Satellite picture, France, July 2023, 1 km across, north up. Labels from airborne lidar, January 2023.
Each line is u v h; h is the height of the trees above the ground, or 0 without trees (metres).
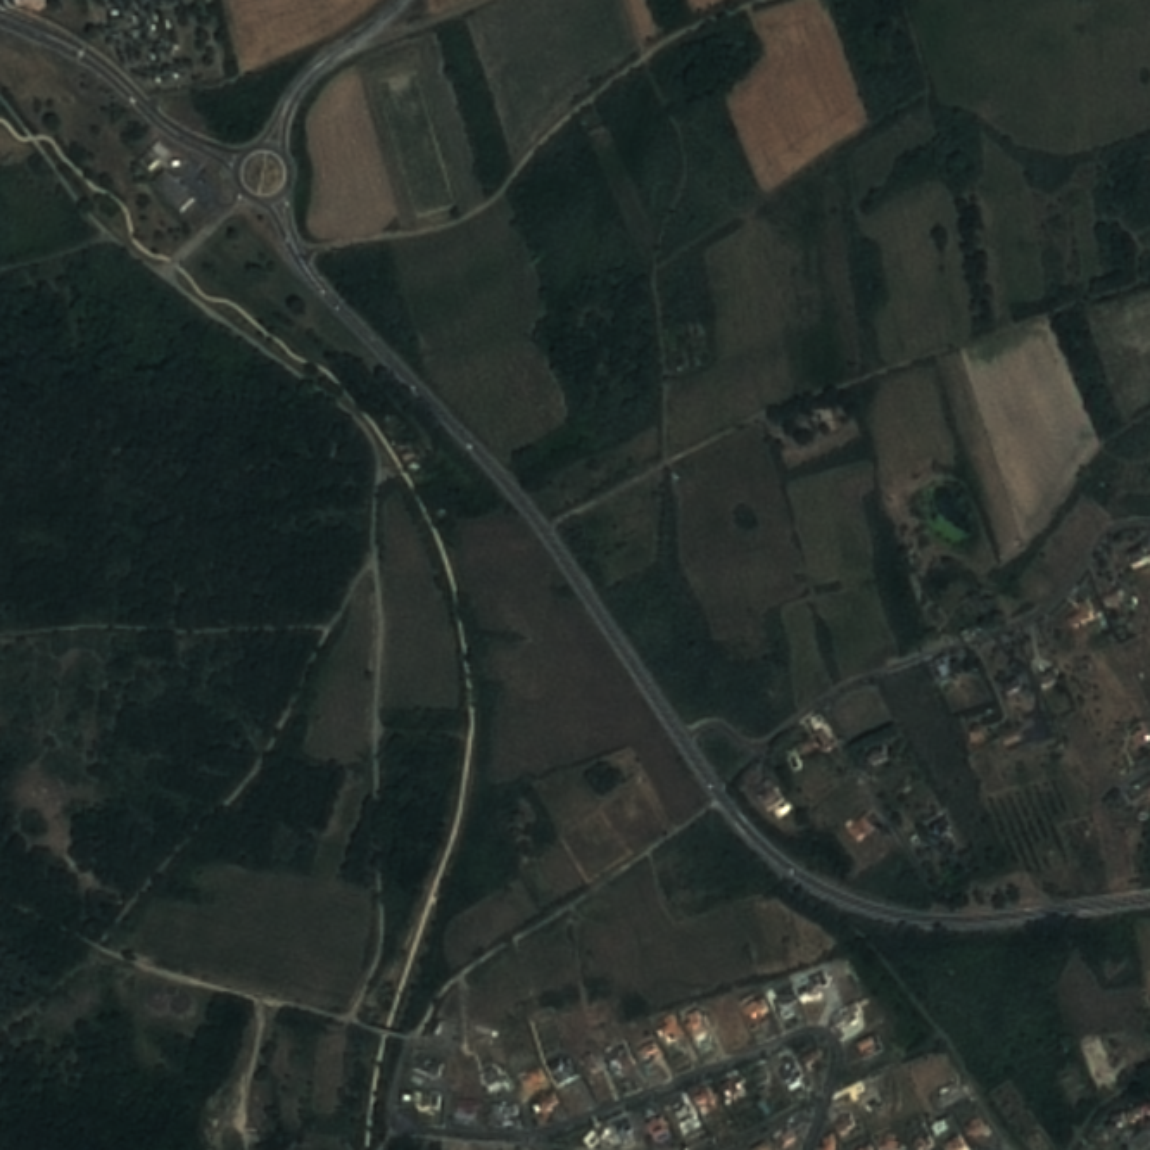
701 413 0
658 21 8
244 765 8
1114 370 0
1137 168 7
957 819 0
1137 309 0
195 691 11
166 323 6
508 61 0
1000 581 5
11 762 9
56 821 0
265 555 5
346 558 10
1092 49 0
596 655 0
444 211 0
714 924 0
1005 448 0
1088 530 0
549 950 0
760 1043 0
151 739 12
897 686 0
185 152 0
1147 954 0
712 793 0
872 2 11
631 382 7
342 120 0
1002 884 0
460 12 0
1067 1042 11
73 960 6
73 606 11
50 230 0
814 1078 0
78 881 9
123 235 0
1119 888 0
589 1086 0
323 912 0
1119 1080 7
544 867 0
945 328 0
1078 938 13
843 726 0
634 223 0
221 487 11
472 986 0
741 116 0
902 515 0
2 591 9
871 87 6
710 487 0
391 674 0
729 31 7
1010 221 0
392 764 6
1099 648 0
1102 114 0
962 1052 5
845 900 0
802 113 0
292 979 0
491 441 0
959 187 6
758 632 0
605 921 0
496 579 0
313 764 7
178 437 10
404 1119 0
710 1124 0
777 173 0
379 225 0
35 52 0
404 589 0
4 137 0
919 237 0
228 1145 0
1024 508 0
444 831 8
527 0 0
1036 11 0
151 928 0
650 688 0
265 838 9
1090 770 0
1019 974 6
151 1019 0
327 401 10
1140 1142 0
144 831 9
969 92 0
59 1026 0
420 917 0
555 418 0
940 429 0
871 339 0
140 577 11
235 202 0
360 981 0
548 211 5
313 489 9
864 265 7
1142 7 0
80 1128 17
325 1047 0
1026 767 9
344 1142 6
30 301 10
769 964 0
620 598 9
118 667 9
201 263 0
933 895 9
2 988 19
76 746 7
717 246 0
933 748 0
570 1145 0
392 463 0
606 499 0
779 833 6
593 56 0
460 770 0
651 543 0
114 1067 9
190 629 10
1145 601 0
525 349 0
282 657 9
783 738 7
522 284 0
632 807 0
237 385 11
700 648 13
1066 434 0
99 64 0
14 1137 14
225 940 0
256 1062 0
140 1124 9
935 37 0
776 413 11
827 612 0
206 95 7
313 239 0
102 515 9
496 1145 0
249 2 0
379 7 0
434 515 7
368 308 6
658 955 0
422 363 7
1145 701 0
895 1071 0
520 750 0
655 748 0
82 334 6
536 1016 0
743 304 0
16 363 20
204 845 10
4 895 9
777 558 0
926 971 7
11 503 9
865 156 0
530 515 0
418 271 0
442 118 0
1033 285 0
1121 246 6
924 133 0
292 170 0
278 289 0
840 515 0
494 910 0
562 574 0
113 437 12
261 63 0
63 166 6
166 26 16
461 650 9
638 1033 0
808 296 0
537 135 0
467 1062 0
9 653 6
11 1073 11
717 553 0
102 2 17
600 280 7
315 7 0
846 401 13
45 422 15
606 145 0
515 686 0
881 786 0
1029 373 0
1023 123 0
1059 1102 7
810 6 0
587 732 0
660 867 0
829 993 0
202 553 10
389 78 0
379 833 13
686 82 7
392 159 0
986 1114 0
